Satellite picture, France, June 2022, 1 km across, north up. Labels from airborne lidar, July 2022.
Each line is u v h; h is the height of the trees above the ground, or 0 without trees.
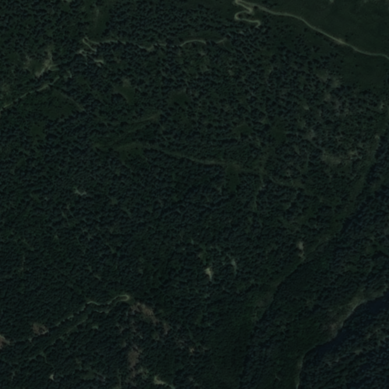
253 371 30
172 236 8
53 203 33
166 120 24
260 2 0
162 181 23
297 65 29
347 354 14
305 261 12
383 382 25
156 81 19
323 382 38
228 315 19
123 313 32
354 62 0
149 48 0
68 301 22
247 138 32
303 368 11
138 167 20
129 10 20
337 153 25
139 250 15
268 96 7
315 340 12
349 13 0
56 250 13
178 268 10
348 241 32
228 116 24
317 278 20
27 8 8
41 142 15
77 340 28
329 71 9
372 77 0
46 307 25
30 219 22
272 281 26
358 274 15
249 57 25
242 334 15
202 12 19
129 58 7
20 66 25
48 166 11
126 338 26
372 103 19
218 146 11
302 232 12
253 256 9
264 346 9
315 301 10
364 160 11
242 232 36
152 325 23
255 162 10
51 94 15
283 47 6
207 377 14
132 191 25
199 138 22
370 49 0
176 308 12
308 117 6
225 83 12
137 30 27
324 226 31
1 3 12
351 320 10
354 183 7
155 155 26
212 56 28
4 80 6
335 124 11
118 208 25
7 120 9
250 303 12
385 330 9
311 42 0
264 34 26
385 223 32
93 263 17
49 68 0
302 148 29
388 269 31
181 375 33
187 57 7
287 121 23
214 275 7
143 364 19
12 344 11
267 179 7
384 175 17
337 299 29
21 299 16
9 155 8
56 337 20
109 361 30
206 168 31
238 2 0
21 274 11
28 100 12
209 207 13
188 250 29
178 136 32
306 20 0
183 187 9
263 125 9
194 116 27
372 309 6
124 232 30
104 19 0
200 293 23
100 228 9
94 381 14
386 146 17
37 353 21
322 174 7
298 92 23
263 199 30
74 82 28
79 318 29
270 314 11
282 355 20
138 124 10
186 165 15
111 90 29
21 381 17
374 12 0
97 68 29
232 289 26
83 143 29
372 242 31
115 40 6
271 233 27
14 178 11
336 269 28
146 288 10
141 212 33
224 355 11
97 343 22
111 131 8
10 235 13
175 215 27
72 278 21
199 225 24
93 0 7
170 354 9
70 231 14
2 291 26
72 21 7
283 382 14
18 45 31
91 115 34
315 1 0
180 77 27
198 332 26
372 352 13
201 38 0
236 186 0
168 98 25
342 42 0
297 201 9
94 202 17
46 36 27
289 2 0
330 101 0
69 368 26
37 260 22
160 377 13
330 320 13
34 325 31
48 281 19
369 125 8
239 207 15
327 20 0
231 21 18
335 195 6
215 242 32
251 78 25
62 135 11
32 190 14
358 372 11
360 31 0
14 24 12
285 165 37
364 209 31
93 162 27
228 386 16
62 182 33
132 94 0
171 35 19
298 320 18
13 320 24
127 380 25
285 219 32
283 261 25
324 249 9
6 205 12
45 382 27
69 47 9
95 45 8
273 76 6
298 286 13
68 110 0
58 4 28
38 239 22
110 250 36
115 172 17
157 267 29
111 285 27
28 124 9
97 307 20
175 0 19
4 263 15
